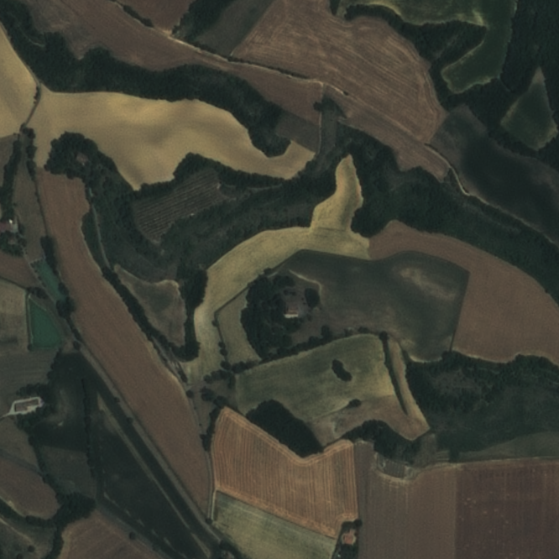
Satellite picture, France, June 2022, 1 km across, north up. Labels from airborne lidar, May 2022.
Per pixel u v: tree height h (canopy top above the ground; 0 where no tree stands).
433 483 0
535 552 0
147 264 0
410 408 0
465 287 0
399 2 0
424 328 0
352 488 0
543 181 0
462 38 8
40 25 0
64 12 0
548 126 0
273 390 0
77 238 0
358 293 0
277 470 0
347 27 0
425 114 0
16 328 0
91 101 0
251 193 7
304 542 0
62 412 0
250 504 0
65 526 12
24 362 0
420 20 0
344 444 0
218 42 0
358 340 0
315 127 0
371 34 0
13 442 0
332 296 0
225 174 11
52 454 0
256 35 0
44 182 0
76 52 0
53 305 0
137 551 0
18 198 0
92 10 0
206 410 0
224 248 9
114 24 0
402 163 0
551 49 13
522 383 9
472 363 12
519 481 0
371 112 0
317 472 0
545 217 0
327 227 0
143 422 0
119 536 0
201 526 0
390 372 7
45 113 0
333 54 0
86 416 8
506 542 0
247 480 0
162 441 0
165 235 6
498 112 20
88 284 0
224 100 10
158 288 0
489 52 0
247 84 7
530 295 0
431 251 0
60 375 0
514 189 0
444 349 0
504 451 0
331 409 0
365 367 0
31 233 0
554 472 0
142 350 0
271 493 0
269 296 17
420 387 17
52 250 11
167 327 0
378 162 12
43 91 0
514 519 0
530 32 16
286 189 6
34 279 0
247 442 0
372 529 0
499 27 0
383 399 0
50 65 7
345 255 0
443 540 0
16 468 0
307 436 17
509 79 19
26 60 10
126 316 0
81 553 0
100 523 0
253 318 14
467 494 0
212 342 0
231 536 0
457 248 0
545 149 11
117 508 0
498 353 0
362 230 13
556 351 0
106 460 0
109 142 0
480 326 0
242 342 0
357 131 7
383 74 0
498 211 12
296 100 0
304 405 0
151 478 0
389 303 0
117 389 0
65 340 0
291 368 0
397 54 0
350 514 0
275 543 0
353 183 0
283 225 12
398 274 0
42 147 0
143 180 0
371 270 0
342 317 0
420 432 0
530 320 0
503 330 0
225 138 0
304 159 0
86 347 0
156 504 0
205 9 10
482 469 0
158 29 0
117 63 9
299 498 0
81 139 14
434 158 0
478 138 0
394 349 0
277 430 16
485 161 0
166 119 0
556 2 16
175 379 0
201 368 0
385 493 0
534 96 0
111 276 12
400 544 0
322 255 0
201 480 0
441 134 0
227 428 0
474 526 0
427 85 0
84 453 0
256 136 8
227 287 0
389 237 0
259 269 0
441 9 0
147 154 0
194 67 9
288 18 0
